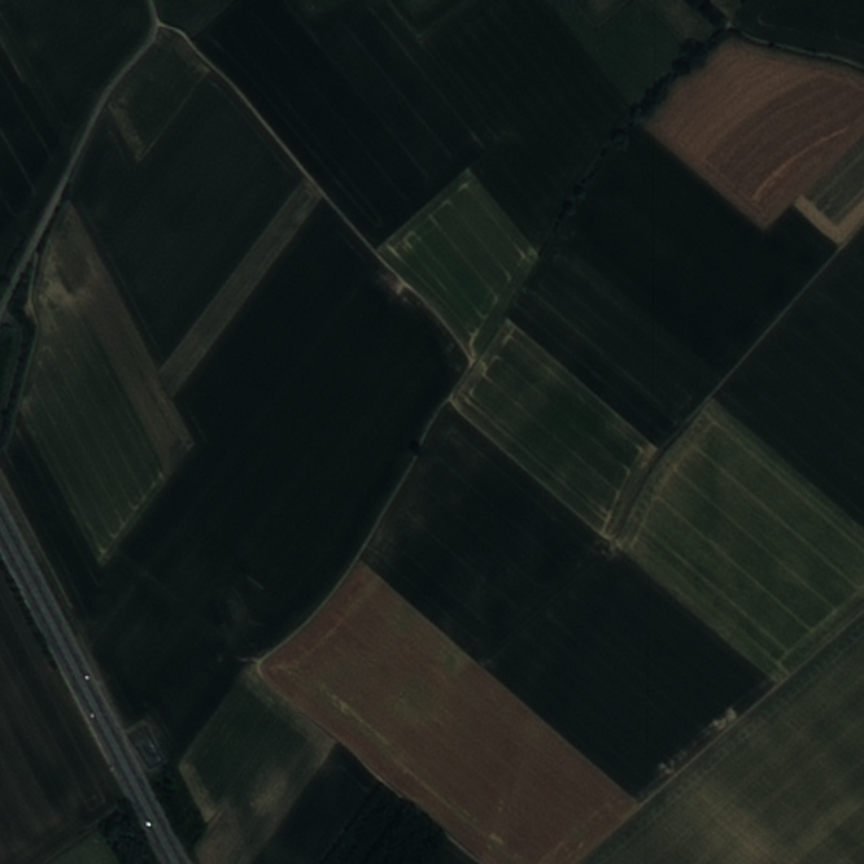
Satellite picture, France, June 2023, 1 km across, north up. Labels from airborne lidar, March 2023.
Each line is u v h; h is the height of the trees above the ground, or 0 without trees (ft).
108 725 0
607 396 0
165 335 0
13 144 0
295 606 0
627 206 0
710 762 0
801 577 0
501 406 0
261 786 0
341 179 0
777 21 0
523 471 0
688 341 0
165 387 0
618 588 0
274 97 0
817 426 0
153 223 0
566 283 0
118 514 0
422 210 0
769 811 0
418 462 0
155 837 0
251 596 0
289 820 0
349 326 0
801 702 0
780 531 0
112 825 59
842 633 0
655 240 0
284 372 0
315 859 0
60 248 0
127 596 0
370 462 0
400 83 0
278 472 0
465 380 0
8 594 0
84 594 0
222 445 0
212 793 0
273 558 0
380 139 0
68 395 0
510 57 0
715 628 0
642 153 0
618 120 0
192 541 0
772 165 0
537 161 0
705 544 0
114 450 0
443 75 0
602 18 0
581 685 0
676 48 0
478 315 0
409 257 0
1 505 0
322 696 0
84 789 0
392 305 0
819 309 0
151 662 0
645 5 0
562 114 0
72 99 0
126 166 0
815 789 0
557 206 0
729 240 0
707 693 0
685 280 0
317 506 0
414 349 0
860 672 0
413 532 0
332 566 0
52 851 0
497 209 0
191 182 0
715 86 0
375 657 0
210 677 0
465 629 0
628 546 0
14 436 0
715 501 0
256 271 0
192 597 0
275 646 0
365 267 0
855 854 0
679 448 0
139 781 0
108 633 0
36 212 0
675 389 0
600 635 0
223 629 0
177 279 0
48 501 0
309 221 0
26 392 0
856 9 0
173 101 0
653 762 0
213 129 0
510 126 0
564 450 0
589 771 0
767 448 0
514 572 0
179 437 0
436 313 0
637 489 0
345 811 0
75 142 0
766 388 0
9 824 0
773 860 0
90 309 0
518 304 0
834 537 0
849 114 0
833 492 0
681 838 0
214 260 0
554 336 0
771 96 0
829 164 0
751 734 0
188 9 0
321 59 0
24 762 0
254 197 0
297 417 0
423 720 0
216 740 0
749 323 0
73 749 0
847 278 0
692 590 0
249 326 0
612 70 0
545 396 0
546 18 0
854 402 0
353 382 0
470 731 0
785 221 0
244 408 0
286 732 0
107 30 0
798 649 0
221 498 0
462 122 0
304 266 0
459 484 0
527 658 0
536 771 0
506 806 0
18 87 0
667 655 0
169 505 0
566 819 0
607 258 0
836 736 0
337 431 0
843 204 0
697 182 0
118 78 0
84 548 0
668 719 0
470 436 0
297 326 0
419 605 0
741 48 0
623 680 0
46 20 0
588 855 0
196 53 0
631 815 0
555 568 0
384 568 0
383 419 0
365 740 0
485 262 0
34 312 0
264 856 0
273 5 0
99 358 0
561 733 0
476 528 0
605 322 0
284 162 0
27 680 0
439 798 0
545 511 0
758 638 0
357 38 0
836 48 0
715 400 0
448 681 0
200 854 0
